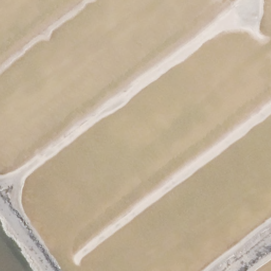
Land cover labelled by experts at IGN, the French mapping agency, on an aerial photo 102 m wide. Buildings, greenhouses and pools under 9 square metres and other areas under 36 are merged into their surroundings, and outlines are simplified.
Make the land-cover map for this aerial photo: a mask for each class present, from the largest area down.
<instances>
[{"label":"water","instance_id":"1","mask_svg":"<svg viewBox=\"0 0 271 271\"><path fill-rule=\"evenodd\" d=\"M72 0H0V57ZM221 6L212 0H95L88 3L76 16L62 23L53 31L49 40L34 44L0 74V175L11 173L31 160L37 149L47 147L52 140H57L60 132L74 120L84 119L116 93L126 92L135 77L156 66L194 38L219 15L217 11ZM259 31L270 38L267 43H259L248 32H222L207 40L191 56L131 97L124 107L80 134L25 179L21 198L24 212L47 243L62 271H202L271 217V114L216 158L195 171L191 177L175 186L126 223L123 228L101 242L80 260L79 265L73 263V257L90 239L111 224L114 218L126 213L135 202L156 189L166 177L213 146L236 125L245 122L257 106H263L271 101V0H265ZM0 271H33L17 243L3 231L0 221Z\"/></svg>","mask_w":271,"mask_h":271},{"label":"pervious surface","instance_id":"2","mask_svg":"<svg viewBox=\"0 0 271 271\"><path fill-rule=\"evenodd\" d=\"M95 0H72L0 57V74L34 44L49 40L53 31L62 23L76 16L88 3ZM221 6L217 11L219 15L194 38L156 66L135 77L126 92L116 93L84 119L74 120L60 132L57 140H52L47 147L37 149L31 160L11 173L0 175V186H13L8 198L29 224L59 271H62L47 243L24 212L21 198L25 179L80 134L124 107L131 97L191 56L207 40L222 32H248L259 43H267L270 38L259 31L265 0H212ZM245 122L236 125L213 146L166 177L156 189L135 202L126 213L114 218L111 224L90 239L73 257V263L79 265L80 260L101 242L123 228L126 223L175 186L191 177L195 171L216 158L271 114V101L263 106H257ZM0 221L3 231L17 243L33 271H54L34 241L26 234L23 223L0 197ZM202 271H271V217Z\"/></svg>","mask_w":271,"mask_h":271},{"label":"brushwood","instance_id":"3","mask_svg":"<svg viewBox=\"0 0 271 271\"><path fill-rule=\"evenodd\" d=\"M13 186H0V197L23 223L26 234L34 241L54 271H59L29 224L8 198Z\"/></svg>","mask_w":271,"mask_h":271}]
</instances>
